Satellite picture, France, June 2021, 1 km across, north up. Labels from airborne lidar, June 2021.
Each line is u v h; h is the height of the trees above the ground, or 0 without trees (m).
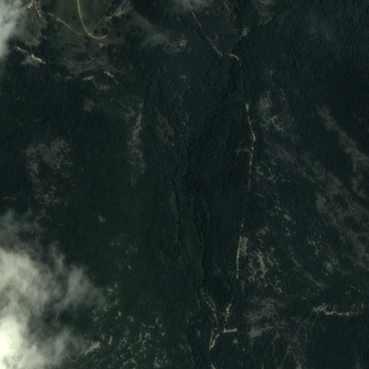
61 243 9
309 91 8
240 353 9
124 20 0
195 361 7
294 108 10
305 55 9
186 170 6
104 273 7
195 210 9
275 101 8
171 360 8
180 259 13
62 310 7
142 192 14
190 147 15
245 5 8
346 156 7
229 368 12
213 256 13
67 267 10
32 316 8
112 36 0
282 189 8
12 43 9
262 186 6
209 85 16
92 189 8
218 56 15
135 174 8
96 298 6
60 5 0
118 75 8
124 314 8
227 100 23
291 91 7
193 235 0
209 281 13
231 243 15
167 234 18
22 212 6
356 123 9
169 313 13
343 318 10
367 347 12
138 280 8
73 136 10
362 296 10
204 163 15
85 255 7
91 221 10
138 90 7
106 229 10
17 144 11
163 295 13
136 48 13
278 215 7
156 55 12
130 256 7
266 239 6
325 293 7
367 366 7
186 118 16
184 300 10
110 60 7
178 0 10
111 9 11
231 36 14
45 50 13
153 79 17
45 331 6
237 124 12
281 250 6
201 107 17
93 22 0
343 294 6
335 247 6
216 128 12
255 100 12
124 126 7
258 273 6
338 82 14
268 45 8
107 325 6
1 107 9
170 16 19
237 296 10
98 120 10
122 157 7
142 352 5
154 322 7
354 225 6
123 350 6
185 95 12
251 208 14
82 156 9
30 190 8
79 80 12
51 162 0
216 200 16
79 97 14
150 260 12
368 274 7
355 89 15
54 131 12
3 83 7
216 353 12
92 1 0
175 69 10
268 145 7
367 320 11
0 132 12
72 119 11
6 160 10
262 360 9
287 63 6
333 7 14
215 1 14
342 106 9
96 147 7
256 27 12
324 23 12
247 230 9
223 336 10
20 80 6
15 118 13
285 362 7
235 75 13
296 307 10
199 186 14
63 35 0
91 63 7
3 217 10
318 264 6
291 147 6
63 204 7
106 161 7
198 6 10
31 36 0
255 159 8
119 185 8
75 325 7
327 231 7
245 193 15
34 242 7
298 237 6
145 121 14
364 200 8
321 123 8
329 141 6
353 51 13
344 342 6
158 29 9
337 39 7
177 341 10
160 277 12
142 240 9
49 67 12
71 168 9
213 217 12
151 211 13
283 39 9
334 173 6
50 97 8
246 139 6
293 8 7
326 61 12
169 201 13
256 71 7
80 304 7
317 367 6
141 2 16
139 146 6
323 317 10
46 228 9
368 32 16
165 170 15
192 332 8
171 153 9
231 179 20
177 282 15
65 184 6
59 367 6
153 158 19
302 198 7
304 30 12
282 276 7
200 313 8
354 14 14
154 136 16
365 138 9
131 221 9
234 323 8
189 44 12
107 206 10
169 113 13
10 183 12
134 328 6
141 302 6
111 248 7
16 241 8
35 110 13
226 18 0
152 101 13
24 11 0
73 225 10
